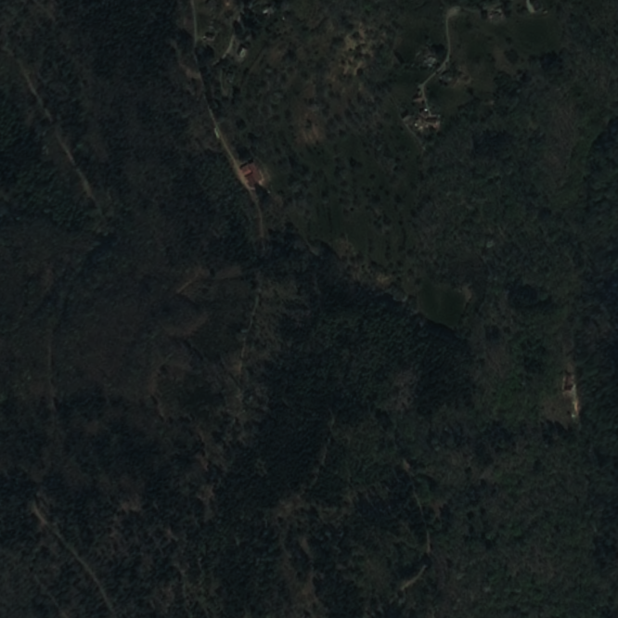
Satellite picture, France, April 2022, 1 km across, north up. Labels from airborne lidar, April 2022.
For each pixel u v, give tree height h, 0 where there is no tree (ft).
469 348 80
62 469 49
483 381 62
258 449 73
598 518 38
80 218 106
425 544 36
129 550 87
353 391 97
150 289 57
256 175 0
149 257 78
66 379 64
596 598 91
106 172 64
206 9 0
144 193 64
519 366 64
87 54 71
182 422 31
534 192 115
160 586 74
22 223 96
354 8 77
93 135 80
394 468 38
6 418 64
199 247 69
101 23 82
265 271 61
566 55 54
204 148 54
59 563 88
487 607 32
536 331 78
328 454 20
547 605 78
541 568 41
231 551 84
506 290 99
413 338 111
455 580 59
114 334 50
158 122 75
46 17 62
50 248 72
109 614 79
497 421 18
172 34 75
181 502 42
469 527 65
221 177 76
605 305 87
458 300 0
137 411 28
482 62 57
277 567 85
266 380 75
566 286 51
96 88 73
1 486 65
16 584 85
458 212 74
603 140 60
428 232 62
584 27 85
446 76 0
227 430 56
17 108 105
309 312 88
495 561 45
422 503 24
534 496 60
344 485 44
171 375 36
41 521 74
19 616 98
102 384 48
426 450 79
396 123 0
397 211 23
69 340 71
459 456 51
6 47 50
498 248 93
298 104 0
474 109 39
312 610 32
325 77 66
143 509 23
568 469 75
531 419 93
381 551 42
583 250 93
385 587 47
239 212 72
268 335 62
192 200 75
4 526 39
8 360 62
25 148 103
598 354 23
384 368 87
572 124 88
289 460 94
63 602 88
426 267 74
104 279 58
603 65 68
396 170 27
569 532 59
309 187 61
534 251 94
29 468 55
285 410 73
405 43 0
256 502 85
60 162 69
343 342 88
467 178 41
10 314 62
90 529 25
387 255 29
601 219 34
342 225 0
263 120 26
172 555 52
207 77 64
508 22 0
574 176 52
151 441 46
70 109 81
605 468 62
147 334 64
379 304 106
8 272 70
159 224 74
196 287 0
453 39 0
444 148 64
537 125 95
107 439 63
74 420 69
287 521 26
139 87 69
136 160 64
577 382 25
